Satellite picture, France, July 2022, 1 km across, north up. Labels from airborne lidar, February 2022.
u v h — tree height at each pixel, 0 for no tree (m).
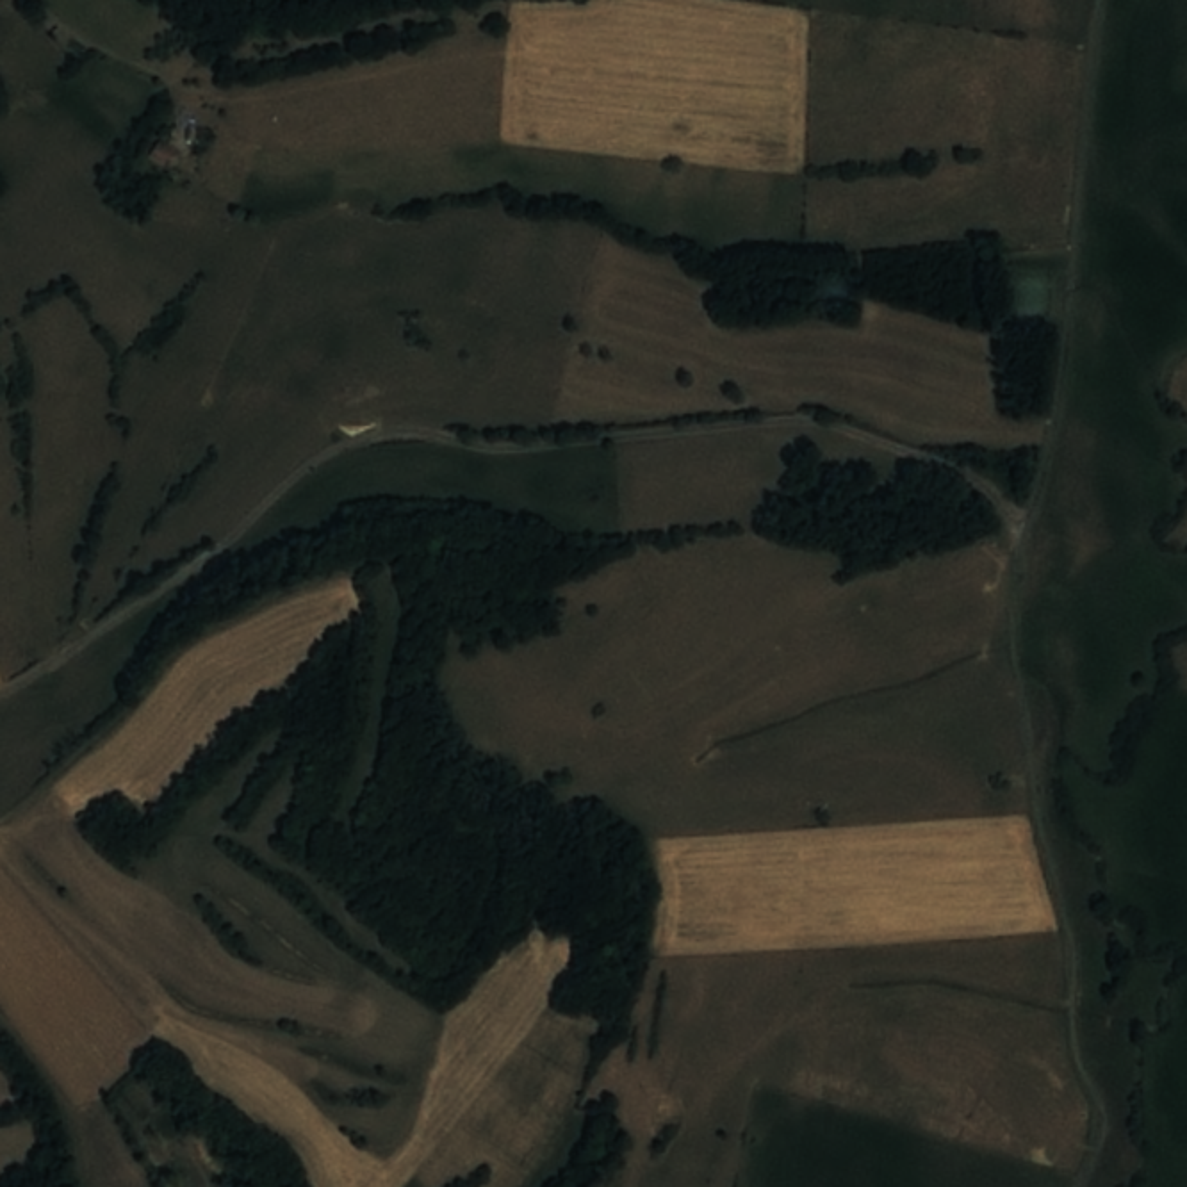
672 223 0
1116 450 0
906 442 0
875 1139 0
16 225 0
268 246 0
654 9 0
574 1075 0
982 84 0
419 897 16
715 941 0
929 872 0
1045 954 0
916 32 0
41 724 0
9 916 0
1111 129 0
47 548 0
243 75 13
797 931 0
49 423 0
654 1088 0
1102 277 0
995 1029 0
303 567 20
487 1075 0
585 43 0
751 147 0
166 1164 0
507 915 20
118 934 0
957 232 0
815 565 0
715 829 0
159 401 0
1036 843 0
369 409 0
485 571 22
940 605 0
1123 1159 0
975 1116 0
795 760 0
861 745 0
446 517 22
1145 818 0
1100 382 0
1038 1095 0
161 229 0
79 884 0
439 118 0
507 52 0
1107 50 0
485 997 0
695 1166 0
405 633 13
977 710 0
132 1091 0
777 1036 0
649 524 0
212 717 0
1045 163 0
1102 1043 0
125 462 0
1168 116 0
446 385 0
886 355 0
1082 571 0
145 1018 0
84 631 0
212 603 22
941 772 0
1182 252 0
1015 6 0
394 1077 0
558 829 21
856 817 0
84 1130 0
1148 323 0
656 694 0
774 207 0
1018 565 0
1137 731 7
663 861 0
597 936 15
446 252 0
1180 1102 0
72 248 0
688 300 0
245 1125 19
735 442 0
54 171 0
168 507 7
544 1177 0
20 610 0
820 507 26
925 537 23
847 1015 0
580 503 0
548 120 0
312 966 11
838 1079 0
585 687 0
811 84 0
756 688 0
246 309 0
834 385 0
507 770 11
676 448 0
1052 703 0
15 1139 0
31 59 0
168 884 0
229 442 0
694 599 0
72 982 0
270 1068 0
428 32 10
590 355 11
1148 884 0
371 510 11
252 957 8
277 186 0
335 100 0
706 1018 0
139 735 0
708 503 0
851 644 0
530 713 0
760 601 0
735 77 0
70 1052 0
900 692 0
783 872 0
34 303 7
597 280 0
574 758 0
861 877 0
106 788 0
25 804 0
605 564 13
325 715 18
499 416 0
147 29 0
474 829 16
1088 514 0
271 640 0
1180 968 7
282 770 11
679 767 0
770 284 17
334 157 0
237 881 0
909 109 0
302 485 0
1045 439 0
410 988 13
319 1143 0
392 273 0
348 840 12
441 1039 0
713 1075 0
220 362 0
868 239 0
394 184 0
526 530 23
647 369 0
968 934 0
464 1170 0
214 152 0
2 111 18
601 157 0
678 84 0
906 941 0
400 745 16
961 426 0
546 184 0
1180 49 0
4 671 0
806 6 0
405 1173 0
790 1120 0
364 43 19
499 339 0
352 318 0
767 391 0
